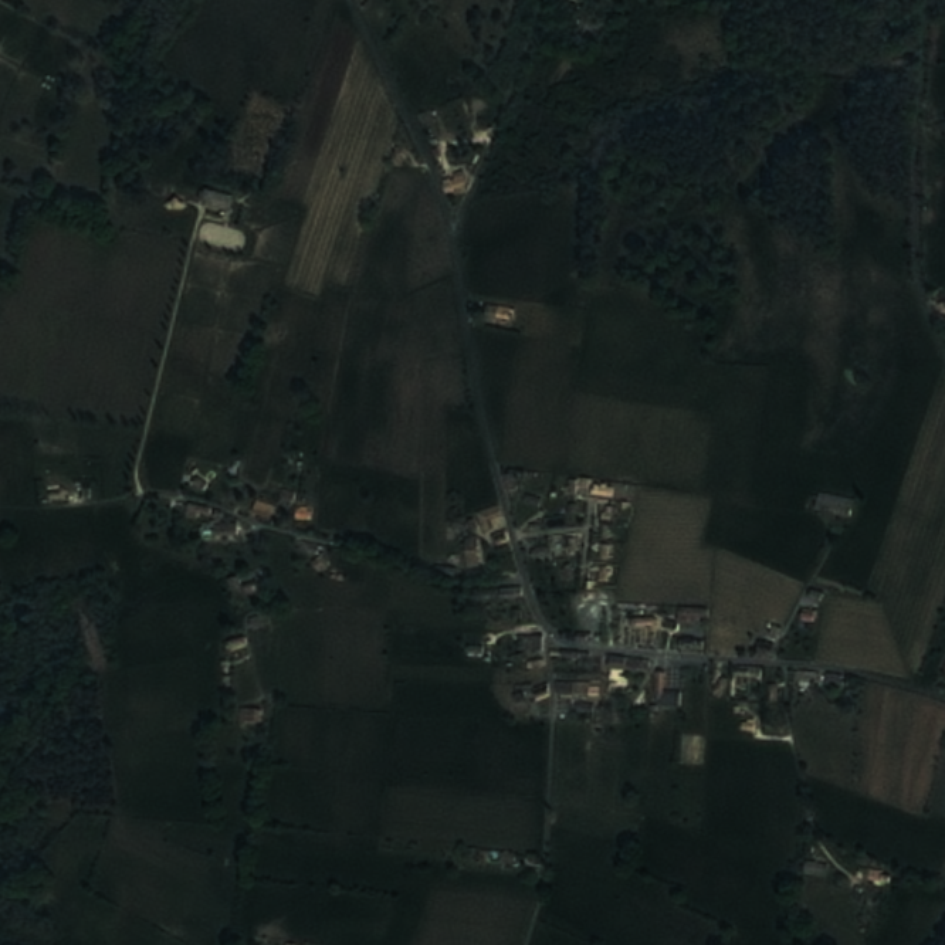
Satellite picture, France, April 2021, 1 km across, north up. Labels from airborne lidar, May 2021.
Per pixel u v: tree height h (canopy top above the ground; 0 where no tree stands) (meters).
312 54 0
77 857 0
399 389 0
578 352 0
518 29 13
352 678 0
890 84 19
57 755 19
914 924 0
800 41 22
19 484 0
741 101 30
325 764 0
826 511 15
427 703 0
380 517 0
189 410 0
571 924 0
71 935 0
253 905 0
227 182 12
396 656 0
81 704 20
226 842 0
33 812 13
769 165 0
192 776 0
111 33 18
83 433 0
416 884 0
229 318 0
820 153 32
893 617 0
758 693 10
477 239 0
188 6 20
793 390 0
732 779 0
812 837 10
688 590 0
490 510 0
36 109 0
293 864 0
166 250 0
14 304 0
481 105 0
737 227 0
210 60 0
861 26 19
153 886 0
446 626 0
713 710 0
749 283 0
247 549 13
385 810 0
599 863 0
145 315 0
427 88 0
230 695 14
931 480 0
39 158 0
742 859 0
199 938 0
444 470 0
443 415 0
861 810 0
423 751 0
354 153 0
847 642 0
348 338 0
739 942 0
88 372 0
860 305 0
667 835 0
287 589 0
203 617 0
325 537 12
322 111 0
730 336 0
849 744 0
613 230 0
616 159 20
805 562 0
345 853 0
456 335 0
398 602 0
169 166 0
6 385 0
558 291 0
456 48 0
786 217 19
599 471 0
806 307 0
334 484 0
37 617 18
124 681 0
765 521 0
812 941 12
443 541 0
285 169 11
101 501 0
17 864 18
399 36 6
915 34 24
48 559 0
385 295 0
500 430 0
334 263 0
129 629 0
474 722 0
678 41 0
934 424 0
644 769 0
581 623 0
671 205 17
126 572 0
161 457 0
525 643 10
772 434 0
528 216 0
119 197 0
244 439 0
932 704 0
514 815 0
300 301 0
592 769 0
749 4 23
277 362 0
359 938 0
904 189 24
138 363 0
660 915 0
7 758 20
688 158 28
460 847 10
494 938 0
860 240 0
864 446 0
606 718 13
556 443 0
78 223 17
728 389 0
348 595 0
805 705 0
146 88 20
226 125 10
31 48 0
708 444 0
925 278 7
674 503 0
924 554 0
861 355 0
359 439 0
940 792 0
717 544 0
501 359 0
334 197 0
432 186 0
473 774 0
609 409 0
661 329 0
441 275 0
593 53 18
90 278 0
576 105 11
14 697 23
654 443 0
